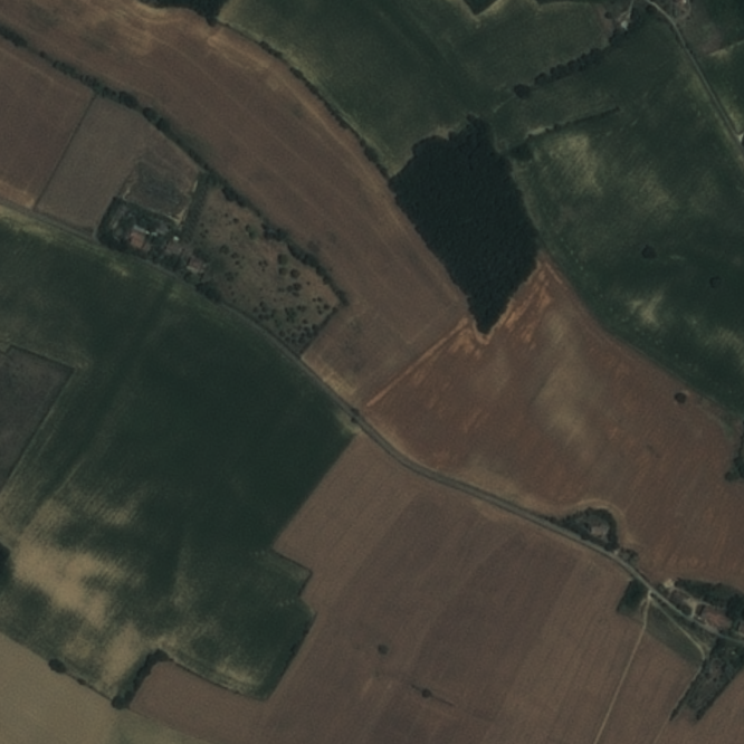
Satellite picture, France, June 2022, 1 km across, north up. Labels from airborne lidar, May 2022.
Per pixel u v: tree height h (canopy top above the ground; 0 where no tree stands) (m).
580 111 0
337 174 0
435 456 0
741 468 9
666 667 0
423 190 16
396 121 0
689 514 0
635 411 0
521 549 0
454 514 0
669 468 0
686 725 0
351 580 0
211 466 0
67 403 0
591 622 0
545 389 0
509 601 0
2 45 0
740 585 0
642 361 0
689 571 0
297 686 0
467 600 0
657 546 0
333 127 0
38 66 0
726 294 0
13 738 0
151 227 7
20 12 0
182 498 0
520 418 0
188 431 0
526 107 0
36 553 0
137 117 0
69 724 0
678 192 0
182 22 0
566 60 0
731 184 0
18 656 0
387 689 0
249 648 0
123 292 0
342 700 0
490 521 0
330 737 0
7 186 0
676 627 0
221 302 15
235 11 0
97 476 0
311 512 0
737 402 0
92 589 0
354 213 0
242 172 0
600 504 0
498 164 20
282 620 0
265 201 0
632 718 0
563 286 0
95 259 0
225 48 0
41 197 0
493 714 0
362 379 0
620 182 0
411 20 0
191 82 0
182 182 0
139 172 0
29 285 0
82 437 0
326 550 0
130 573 0
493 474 0
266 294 0
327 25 0
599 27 0
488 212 18
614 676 0
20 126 0
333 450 0
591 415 0
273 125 0
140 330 0
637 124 0
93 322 0
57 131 0
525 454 0
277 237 21
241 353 0
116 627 0
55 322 0
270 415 0
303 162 0
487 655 0
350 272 0
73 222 0
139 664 0
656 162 0
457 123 0
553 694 0
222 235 0
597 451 0
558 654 0
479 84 0
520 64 0
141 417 0
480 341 0
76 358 0
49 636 0
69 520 0
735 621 13
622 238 0
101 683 0
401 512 0
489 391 0
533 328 0
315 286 0
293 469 0
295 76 7
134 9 0
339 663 0
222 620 0
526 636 0
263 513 0
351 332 0
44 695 0
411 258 0
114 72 0
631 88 0
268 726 0
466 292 12
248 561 0
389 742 0
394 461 0
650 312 0
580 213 0
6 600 0
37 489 0
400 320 0
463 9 0
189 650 0
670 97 0
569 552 0
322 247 0
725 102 0
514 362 0
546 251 0
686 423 0
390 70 0
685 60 0
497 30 0
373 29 0
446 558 0
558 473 0
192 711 0
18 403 0
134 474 0
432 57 0
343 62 0
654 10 15
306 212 0
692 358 0
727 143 0
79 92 0
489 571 0
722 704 0
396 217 0
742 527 0
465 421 0
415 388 0
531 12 0
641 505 0
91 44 0
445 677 0
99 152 0
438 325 0
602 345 0
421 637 0
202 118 0
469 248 16
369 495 0
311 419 0
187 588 0
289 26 0
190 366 0
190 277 14
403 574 0
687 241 0
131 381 0
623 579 0
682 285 0
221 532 0
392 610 0
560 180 0
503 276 16
